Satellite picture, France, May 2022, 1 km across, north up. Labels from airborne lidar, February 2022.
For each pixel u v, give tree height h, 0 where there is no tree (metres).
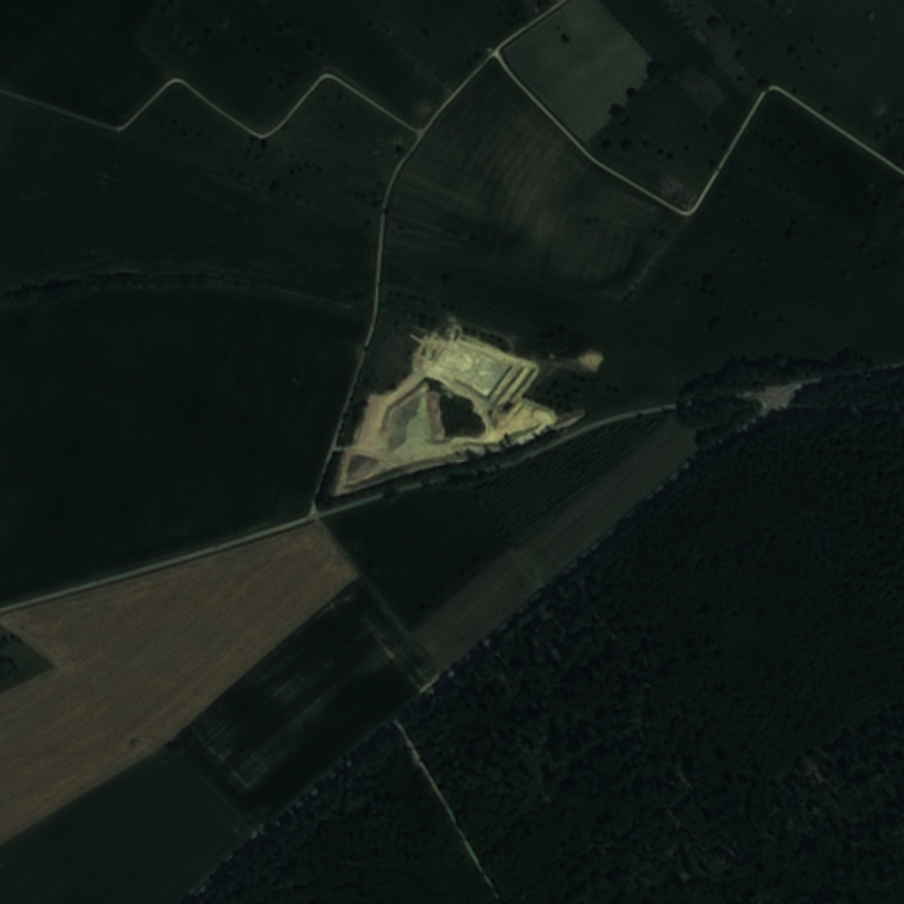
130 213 0
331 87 0
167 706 0
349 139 0
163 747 0
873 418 21
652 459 0
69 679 0
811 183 0
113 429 0
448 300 0
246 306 0
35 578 0
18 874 0
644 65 0
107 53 0
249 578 0
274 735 0
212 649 0
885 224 0
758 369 15
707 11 0
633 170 0
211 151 0
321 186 0
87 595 0
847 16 0
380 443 0
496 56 0
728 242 0
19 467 0
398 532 0
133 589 0
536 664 29
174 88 0
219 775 0
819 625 15
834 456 21
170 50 0
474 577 0
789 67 0
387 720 0
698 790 31
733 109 0
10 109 0
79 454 0
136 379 0
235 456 0
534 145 0
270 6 0
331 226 0
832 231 0
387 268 0
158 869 0
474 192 0
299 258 0
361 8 0
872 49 0
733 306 0
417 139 0
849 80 0
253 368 0
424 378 0
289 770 0
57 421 0
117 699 0
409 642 0
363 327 0
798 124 0
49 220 0
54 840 0
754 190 0
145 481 0
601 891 26
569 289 0
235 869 18
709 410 20
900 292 0
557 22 0
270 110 0
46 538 0
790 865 16
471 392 0
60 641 0
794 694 16
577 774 30
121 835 0
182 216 0
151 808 0
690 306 0
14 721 0
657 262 0
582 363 0
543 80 0
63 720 0
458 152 0
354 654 0
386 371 0
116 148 0
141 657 0
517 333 0
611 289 0
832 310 0
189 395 0
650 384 0
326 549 0
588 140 0
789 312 0
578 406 0
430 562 0
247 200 0
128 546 0
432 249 0
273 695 0
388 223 0
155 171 0
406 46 0
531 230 0
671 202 0
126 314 0
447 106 0
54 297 20
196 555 0
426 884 12
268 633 0
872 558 23
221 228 0
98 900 0
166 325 0
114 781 0
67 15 0
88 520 0
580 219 0
